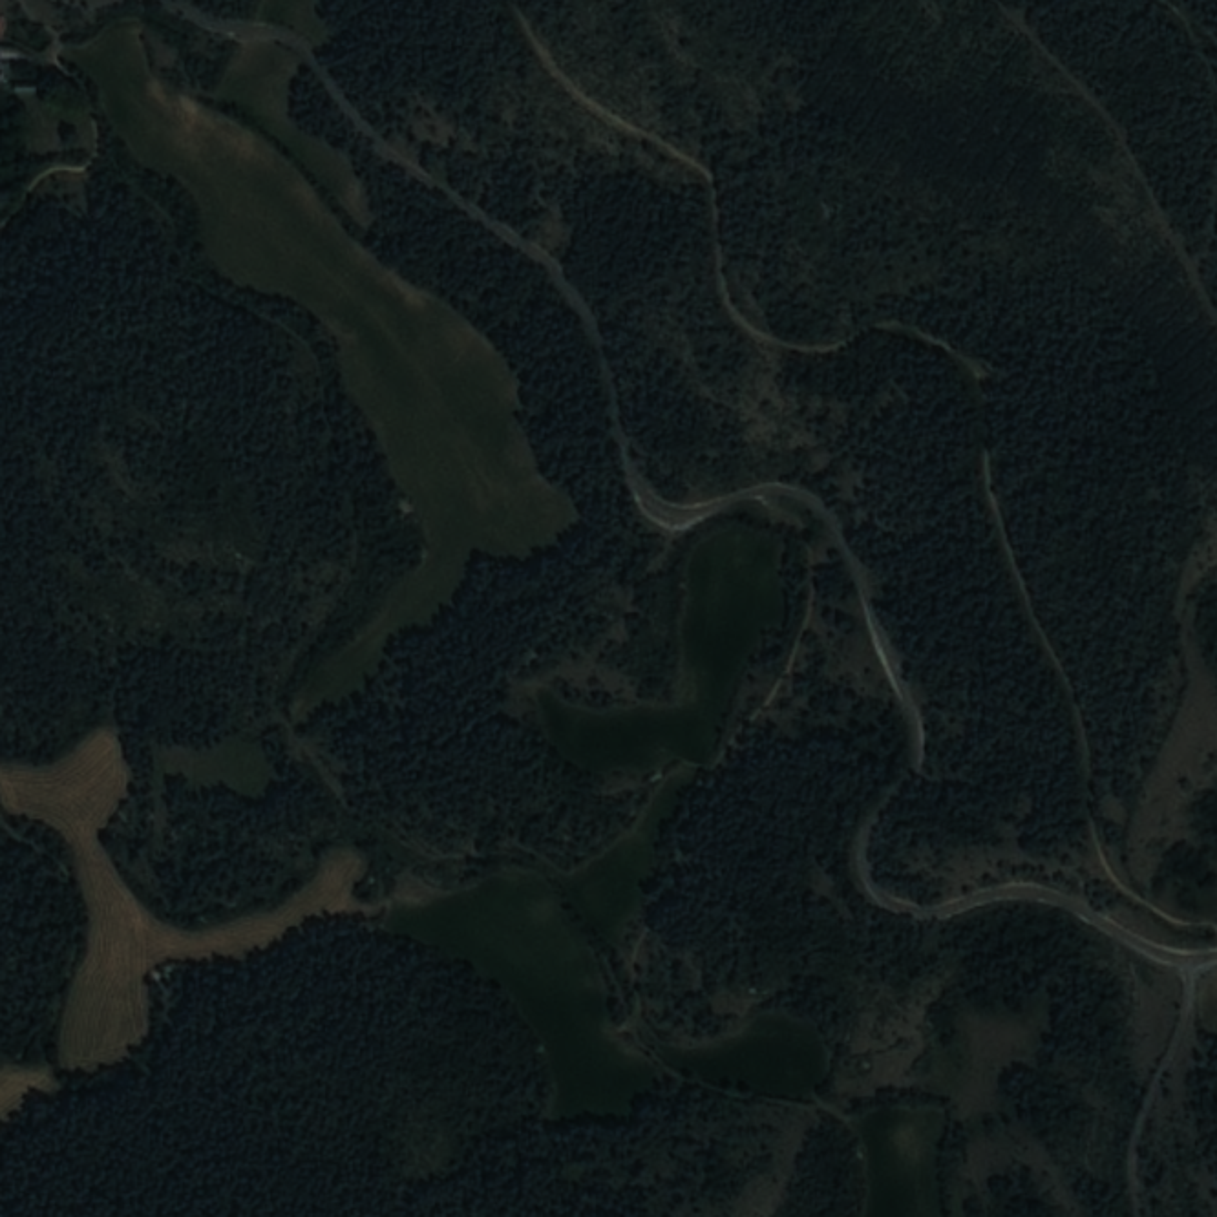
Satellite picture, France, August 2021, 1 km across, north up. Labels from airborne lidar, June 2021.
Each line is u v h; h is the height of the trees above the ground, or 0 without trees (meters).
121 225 17
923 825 9
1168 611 9
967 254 11
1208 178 15
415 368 0
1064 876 9
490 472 0
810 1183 10
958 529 13
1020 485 7
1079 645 7
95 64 0
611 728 0
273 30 0
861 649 0
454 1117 6
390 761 16
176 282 10
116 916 0
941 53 6
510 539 0
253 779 0
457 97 16
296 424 8
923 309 12
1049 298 10
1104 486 10
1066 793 12
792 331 13
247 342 16
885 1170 0
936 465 13
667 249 13
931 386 16
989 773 10
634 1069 0
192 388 14
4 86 13
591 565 14
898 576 9
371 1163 11
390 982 16
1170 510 9
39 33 7
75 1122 18
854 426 13
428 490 0
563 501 0
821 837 13
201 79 9
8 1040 16
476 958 0
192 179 0
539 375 14
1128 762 11
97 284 14
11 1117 9
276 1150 6
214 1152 14
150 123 0
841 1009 6
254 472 11
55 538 12
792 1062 0
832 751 16
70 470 10
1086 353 8
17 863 15
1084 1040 15
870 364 15
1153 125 11
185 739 17
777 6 14
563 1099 0
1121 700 12
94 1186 10
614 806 9
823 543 0
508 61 11
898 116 6
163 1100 19
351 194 0
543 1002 0
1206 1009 0
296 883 10
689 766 0
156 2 10
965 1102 0
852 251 10
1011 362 17
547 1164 18
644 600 11
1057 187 6
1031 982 15
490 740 19
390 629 0
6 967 16
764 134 15
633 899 0
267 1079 6
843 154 7
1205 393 6
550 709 0
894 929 11
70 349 7
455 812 12
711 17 7
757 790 18
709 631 0
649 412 14
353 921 10
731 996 0
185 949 0
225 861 9
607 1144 16
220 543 0
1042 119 6
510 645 13
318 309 0
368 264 0
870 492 7
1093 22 9
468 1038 8
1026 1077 15
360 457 13
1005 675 10
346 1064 15
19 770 0
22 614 13
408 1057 7
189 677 17
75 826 0
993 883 10
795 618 7
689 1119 11
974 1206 6
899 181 5
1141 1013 0
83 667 15
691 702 0
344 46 13
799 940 12
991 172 7
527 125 7
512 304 6
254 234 0
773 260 6
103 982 0
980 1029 0
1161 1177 8
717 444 6
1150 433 12
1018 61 6
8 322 15
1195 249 8
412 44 16
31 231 13
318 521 12
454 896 0
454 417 0
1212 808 11
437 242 18
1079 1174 7
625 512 14
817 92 9
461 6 14
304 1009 14
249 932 0
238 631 10
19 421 10
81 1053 0
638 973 10
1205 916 0
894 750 6
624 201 15
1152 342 7
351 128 13
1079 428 10
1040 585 12
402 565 10
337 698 0
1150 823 0
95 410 9
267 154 0
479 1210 16
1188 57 11
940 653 11
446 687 7
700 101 7
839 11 13
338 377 12
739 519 8
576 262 14
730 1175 6
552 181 8
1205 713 0
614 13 7
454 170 15
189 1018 15
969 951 12
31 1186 6
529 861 8
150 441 8
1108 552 8
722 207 6
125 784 0
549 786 10
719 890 13
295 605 8
